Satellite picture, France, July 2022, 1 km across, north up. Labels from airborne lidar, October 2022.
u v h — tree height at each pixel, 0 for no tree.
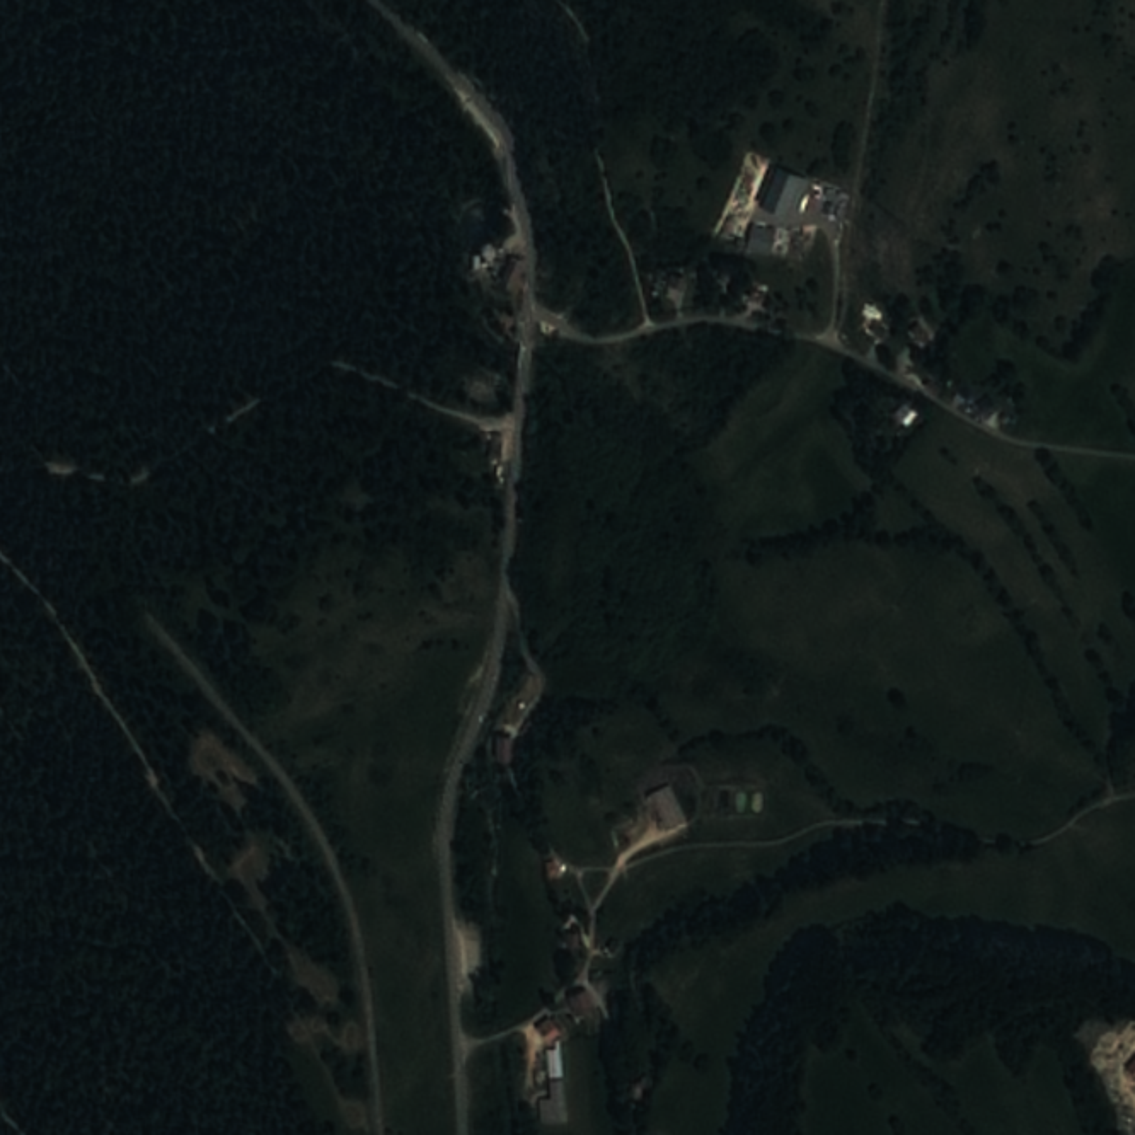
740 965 0
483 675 0
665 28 6
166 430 16
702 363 6
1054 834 0
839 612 0
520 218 0
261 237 27
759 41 9
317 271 14
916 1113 0
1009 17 0
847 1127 0
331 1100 0
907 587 0
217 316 32
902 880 0
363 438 16
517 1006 0
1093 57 0
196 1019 20
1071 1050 7
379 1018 0
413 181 22
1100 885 0
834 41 0
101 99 19
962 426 0
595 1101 0
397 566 0
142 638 6
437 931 0
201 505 18
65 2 17
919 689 0
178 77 31
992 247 0
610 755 0
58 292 19
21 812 30
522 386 0
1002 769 0
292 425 25
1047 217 0
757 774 0
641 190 0
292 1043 15
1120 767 7
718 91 7
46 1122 26
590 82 20
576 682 0
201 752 0
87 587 6
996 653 0
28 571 35
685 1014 0
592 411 15
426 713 0
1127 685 0
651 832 0
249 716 6
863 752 0
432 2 10
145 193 23
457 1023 0
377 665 0
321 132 19
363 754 0
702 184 6
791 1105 19
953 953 28
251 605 7
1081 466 0
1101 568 0
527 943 0
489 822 0
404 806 0
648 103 8
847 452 0
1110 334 0
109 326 19
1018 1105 0
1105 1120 7
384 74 25
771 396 0
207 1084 24
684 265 8
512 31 15
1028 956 31
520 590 17
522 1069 0
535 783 15
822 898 0
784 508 0
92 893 29
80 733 23
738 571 0
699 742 6
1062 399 0
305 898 11
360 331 23
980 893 0
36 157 13
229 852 8
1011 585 0
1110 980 29
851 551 0
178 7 26
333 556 0
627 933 0
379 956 0
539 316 0
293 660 0
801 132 0
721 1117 0
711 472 0
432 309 8
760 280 0
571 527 0
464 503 21
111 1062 29
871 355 0
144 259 8
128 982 28
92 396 15
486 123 0
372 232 22
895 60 6
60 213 25
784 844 0
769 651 0
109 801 20
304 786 9
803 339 0
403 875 0
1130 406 7
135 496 6
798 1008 27
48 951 29
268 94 23
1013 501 0
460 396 20
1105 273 8
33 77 23
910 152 0
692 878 0
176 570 15
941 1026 20
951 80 0
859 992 15
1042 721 0
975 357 0
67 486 16
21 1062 27
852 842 20
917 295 0
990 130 0
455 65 10
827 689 0
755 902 22
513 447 0
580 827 0
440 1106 0
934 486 0
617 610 6
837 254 0
